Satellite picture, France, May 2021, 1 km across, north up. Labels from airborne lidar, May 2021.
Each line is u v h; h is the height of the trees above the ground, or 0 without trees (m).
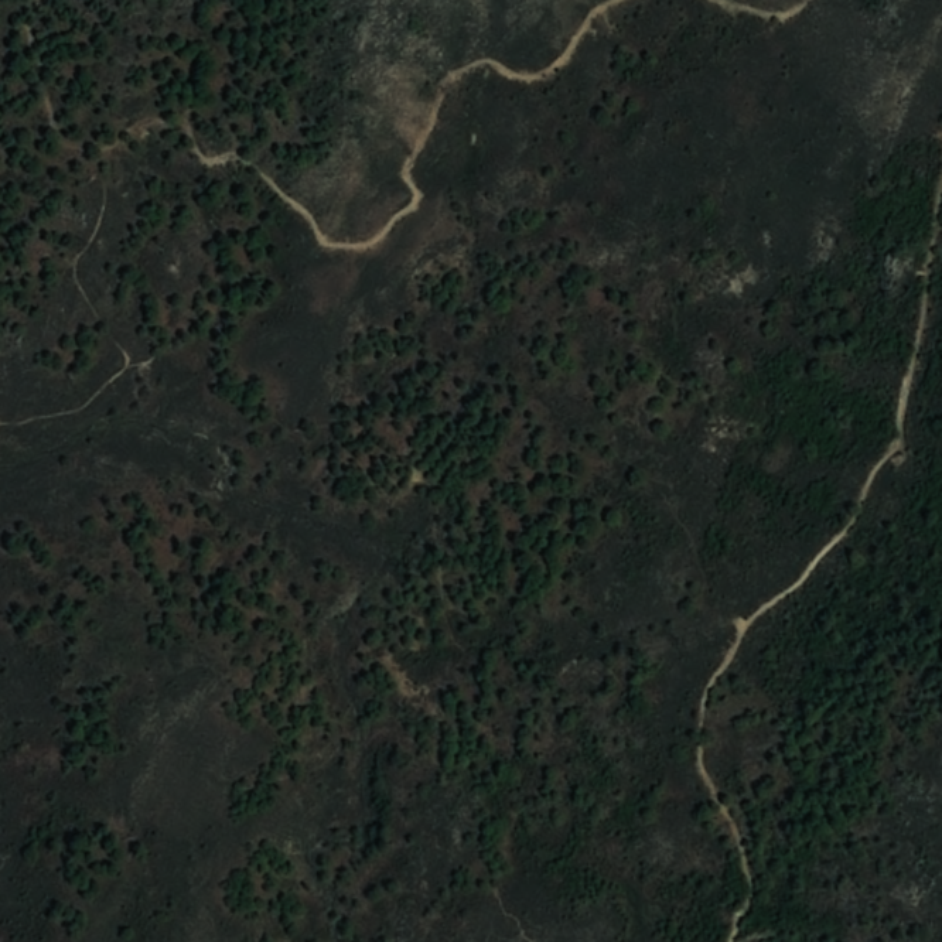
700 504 0
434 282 16
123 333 0
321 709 22
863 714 18
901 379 0
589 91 0
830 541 0
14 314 0
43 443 0
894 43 0
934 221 6
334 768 0
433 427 18
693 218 18
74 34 12
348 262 0
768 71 0
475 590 12
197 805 0
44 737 0
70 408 0
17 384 0
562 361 17
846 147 0
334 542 0
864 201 7
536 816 8
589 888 8
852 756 17
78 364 16
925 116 0
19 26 17
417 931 0
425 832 0
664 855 0
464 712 18
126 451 0
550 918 0
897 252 11
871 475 0
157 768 0
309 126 19
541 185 0
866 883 9
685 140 0
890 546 8
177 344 17
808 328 10
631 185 0
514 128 0
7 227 24
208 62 22
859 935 0
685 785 0
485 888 12
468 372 0
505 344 0
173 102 21
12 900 0
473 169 0
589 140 0
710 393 9
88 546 0
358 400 0
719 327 0
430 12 0
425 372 16
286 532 0
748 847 17
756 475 7
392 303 0
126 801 0
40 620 12
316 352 0
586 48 0
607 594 0
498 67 0
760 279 0
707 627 0
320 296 0
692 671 0
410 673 0
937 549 6
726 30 7
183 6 0
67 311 0
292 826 0
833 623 17
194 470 0
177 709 0
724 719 0
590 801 15
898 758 11
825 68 0
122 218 0
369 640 18
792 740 20
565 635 0
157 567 18
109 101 19
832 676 18
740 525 0
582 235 0
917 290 7
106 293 0
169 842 0
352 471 19
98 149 19
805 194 0
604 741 11
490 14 0
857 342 21
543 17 0
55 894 0
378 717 14
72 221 0
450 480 16
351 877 15
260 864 13
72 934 14
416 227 0
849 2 0
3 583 0
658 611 0
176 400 0
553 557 20
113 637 0
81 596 0
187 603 13
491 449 16
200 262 0
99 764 12
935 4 0
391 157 0
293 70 18
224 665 0
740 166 0
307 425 18
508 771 18
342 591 0
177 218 15
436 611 14
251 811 11
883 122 0
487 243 0
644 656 13
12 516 0
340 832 15
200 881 0
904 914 0
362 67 0
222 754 0
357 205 0
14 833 0
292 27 16
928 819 0
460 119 0
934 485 6
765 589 0
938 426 19
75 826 0
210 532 0
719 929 6
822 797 19
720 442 0
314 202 0
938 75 0
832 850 7
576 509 18
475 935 0
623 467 0
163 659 0
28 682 0
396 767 15
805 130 0
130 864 0
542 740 12
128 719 0
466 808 0
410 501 0
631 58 19
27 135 24
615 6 0
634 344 0
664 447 0
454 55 0
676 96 0
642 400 0
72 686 0
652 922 0
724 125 0
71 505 0
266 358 0
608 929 0
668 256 0
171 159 19
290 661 16
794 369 14
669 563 0
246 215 16
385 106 0
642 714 11
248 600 21
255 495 0
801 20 0
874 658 17
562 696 14
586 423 0
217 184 20
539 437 17
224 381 19
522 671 13
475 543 14
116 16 12
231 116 16
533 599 18
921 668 16
